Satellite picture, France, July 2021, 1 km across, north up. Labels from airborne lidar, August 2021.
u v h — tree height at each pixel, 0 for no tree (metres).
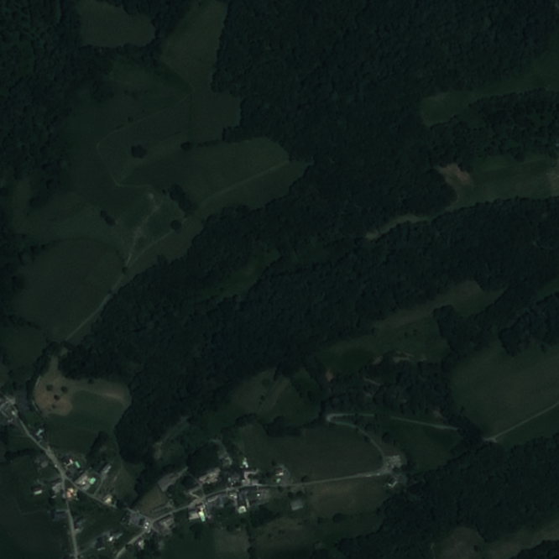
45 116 11
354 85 25
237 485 6
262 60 25
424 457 0
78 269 0
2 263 25
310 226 24
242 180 0
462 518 22
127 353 24
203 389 19
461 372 0
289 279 21
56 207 0
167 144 0
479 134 20
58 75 24
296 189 19
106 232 0
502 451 19
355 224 28
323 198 26
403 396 11
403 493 12
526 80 0
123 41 0
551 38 19
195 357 21
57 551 0
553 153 19
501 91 0
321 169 21
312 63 28
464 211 19
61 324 0
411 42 19
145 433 28
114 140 0
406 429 0
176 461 0
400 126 25
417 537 29
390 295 27
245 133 24
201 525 10
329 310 26
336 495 0
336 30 23
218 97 0
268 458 0
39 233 0
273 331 27
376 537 20
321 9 31
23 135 26
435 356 0
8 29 22
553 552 11
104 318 14
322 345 13
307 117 23
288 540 0
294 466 0
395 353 7
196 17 0
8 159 18
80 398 0
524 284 26
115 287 0
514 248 23
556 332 26
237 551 0
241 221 24
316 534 0
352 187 29
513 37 24
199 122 0
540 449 27
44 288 0
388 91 25
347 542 23
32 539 0
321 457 0
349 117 24
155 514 0
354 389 10
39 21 21
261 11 22
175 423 21
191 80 0
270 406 0
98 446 15
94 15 0
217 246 25
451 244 20
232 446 6
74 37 20
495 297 0
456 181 0
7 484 0
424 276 21
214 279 25
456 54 20
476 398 0
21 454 14
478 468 29
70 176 0
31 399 17
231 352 26
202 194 0
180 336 16
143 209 0
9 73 11
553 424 0
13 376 14
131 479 0
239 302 18
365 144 25
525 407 0
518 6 23
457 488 30
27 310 0
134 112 0
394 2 29
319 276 23
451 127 13
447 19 19
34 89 24
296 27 22
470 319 8
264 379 0
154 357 19
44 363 14
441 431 0
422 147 21
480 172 0
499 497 29
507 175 0
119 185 0
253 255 21
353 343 0
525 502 32
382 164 21
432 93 18
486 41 24
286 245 30
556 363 0
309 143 25
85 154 0
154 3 31
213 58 0
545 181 0
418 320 0
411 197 22
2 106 18
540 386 0
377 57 15
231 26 25
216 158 0
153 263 0
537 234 29
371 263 27
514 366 0
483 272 23
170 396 28
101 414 0
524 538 0
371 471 0
